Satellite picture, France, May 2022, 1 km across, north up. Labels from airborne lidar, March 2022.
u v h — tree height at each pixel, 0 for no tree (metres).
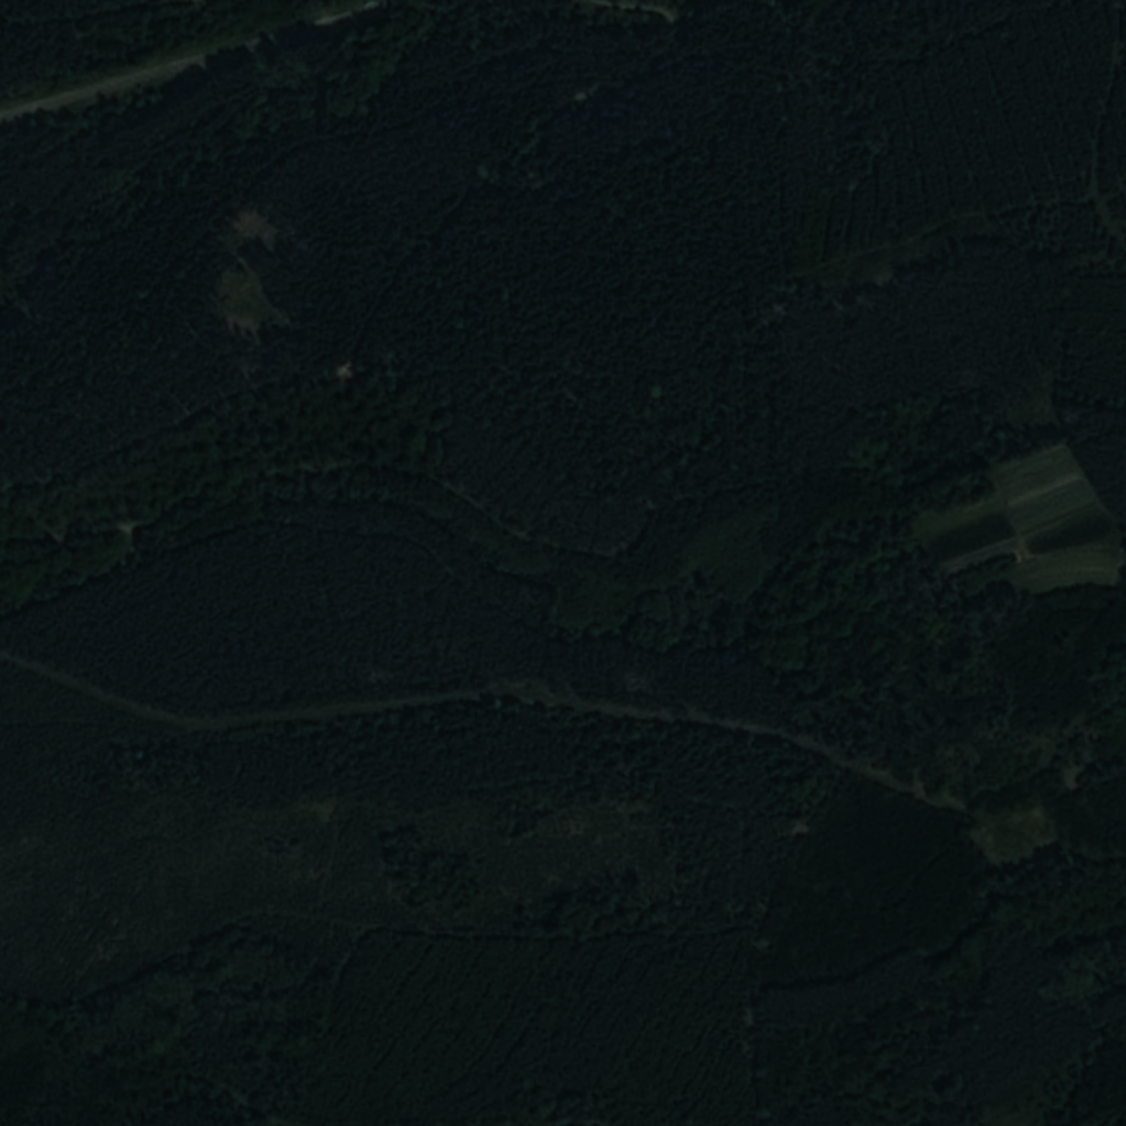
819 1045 18
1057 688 6
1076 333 12
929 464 16
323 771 16
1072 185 8
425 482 12
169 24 10
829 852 9
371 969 10
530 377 20
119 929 6
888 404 24
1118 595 9
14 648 16
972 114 11
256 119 24
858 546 22
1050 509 0
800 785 14
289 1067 14
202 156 25
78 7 23
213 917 6
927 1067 21
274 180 29
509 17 10
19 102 0
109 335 23
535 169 21
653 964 13
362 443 12
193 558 18
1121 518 20
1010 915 28
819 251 9
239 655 18
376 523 21
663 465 18
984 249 22
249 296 0
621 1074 11
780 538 13
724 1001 8
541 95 21
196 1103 21
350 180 30
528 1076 13
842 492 14
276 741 11
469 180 28
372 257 26
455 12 21
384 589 19
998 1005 21
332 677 20
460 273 24
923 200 6
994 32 12
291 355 28
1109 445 27
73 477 25
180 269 21
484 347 22
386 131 24
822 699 25
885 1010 17
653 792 10
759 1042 15
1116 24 10
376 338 23
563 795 8
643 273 22
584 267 22
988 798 11
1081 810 14
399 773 10
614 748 14
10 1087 18
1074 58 12
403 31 8
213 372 23
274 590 19
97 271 27
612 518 19
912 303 21
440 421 18
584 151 26
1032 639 8
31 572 22
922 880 12
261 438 25
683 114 29
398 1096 10
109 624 16
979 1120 14
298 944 6
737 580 19
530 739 13
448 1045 9
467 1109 12
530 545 9
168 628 14
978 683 19
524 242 21
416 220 27
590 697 21
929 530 0
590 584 16
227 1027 22
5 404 23
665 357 22
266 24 9
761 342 13
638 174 22
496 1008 11
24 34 25
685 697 25
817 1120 16
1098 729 12
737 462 23
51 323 23
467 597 19
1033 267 25
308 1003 13
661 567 13
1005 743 9
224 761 10
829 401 27
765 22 29
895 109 13
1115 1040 16
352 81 25
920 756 6
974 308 26
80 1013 21
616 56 30
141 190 21
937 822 10
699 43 23
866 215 12
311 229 29
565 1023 12
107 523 13
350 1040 13
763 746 14
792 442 26
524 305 22
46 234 32
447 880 9
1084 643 7
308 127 25
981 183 11
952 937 11
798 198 20
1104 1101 16
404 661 17
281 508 19
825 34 23
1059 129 13
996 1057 28
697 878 10
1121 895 11
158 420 21
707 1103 9
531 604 24
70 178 31
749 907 11
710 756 10
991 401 27
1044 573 0
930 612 22
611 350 23
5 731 6
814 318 22
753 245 27
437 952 10
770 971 10
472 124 27
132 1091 10
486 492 17
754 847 12
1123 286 11
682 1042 12
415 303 24
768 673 22
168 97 18
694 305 22
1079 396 13
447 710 11
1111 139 12
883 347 26
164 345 25
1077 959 30
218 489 20
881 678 27
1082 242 10
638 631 25
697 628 16
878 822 9
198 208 22
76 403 24
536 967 7
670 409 22
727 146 24
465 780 7
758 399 23
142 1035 25
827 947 10
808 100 20
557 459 23
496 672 21
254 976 14
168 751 11
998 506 0
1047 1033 29
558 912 23
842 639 24
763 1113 15
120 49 13
